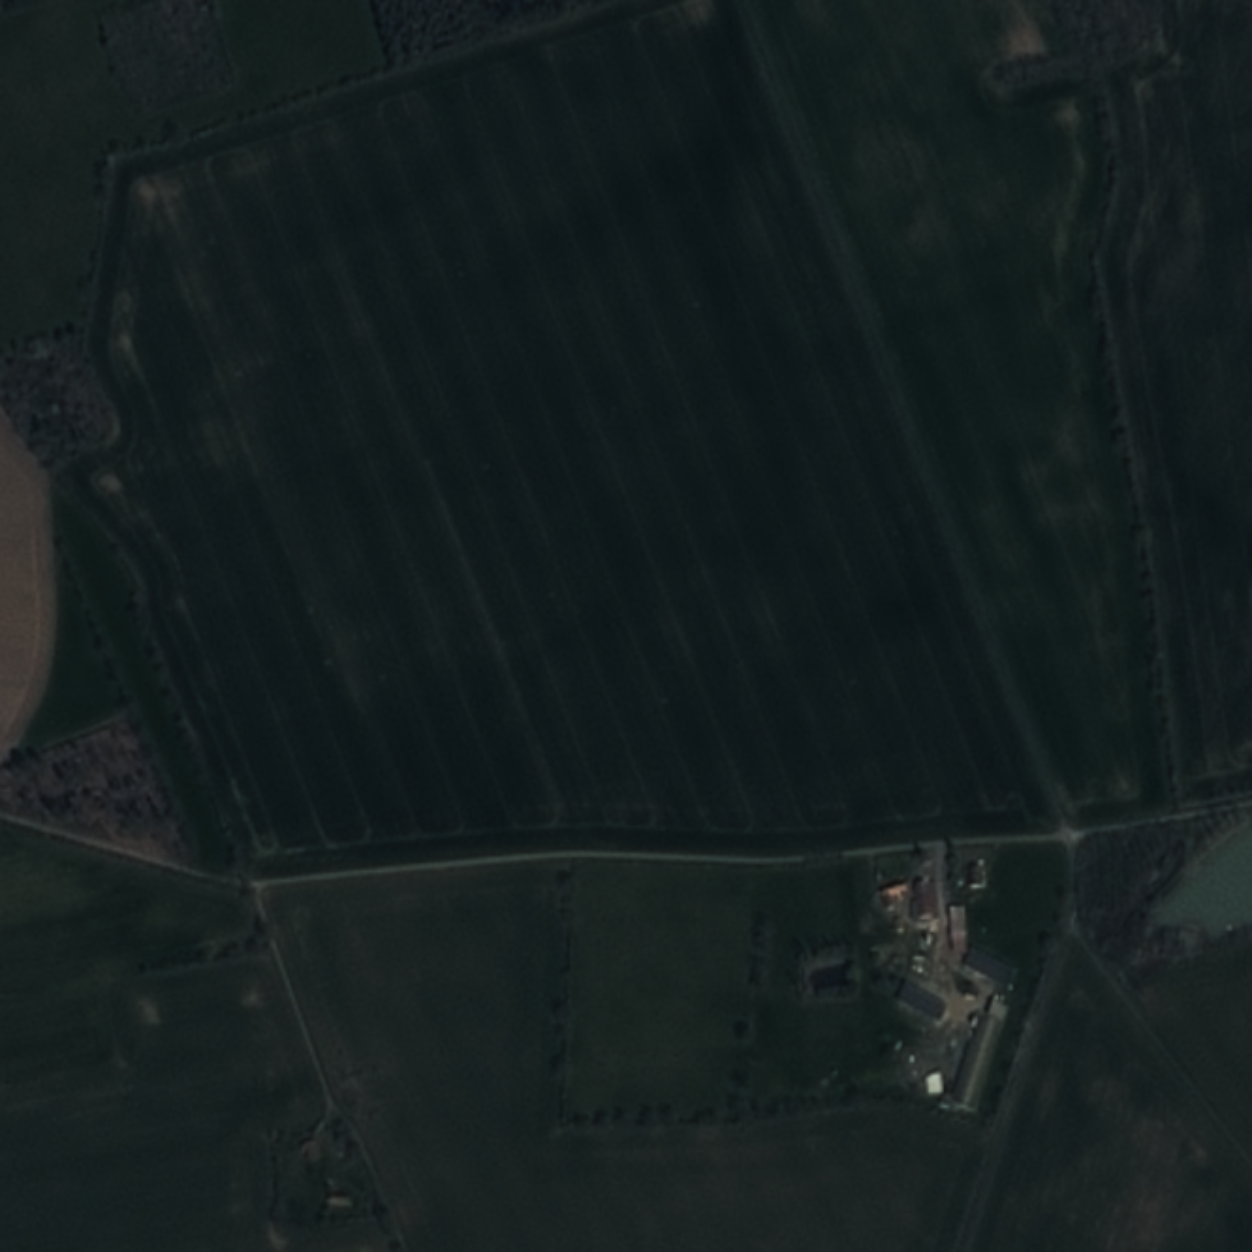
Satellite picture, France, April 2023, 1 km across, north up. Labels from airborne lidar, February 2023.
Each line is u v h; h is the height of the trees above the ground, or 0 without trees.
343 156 0
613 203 0
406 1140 0
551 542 0
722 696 0
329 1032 0
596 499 0
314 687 0
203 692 0
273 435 0
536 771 0
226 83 13
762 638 0
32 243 0
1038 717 0
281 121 0
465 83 0
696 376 0
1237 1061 0
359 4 0
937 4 0
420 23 14
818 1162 0
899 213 0
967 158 0
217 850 0
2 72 0
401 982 0
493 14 18
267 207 0
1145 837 11
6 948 0
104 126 0
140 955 0
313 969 0
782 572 0
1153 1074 0
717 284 0
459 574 0
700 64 0
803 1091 0
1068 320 0
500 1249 0
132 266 0
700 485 0
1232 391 0
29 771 23
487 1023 0
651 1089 0
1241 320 0
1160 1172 0
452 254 0
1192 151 0
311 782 0
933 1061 0
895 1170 0
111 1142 0
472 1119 0
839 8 0
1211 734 0
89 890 0
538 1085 0
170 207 0
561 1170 0
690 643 0
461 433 0
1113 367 12
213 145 0
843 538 0
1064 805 0
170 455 0
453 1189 0
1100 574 0
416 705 0
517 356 0
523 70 0
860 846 0
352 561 0
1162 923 0
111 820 18
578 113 0
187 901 0
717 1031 0
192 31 11
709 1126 14
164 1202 0
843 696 0
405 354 0
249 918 0
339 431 0
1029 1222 0
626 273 0
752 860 0
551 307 0
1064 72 16
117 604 0
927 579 0
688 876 0
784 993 0
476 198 0
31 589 0
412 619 0
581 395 0
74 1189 0
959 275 0
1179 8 0
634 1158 0
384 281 0
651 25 0
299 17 0
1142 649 0
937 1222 0
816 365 0
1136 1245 0
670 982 0
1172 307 0
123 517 0
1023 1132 0
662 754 0
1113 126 14
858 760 0
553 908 0
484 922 0
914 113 0
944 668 0
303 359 0
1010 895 0
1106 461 0
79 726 0
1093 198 0
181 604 0
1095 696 0
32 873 0
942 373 0
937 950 0
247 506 0
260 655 0
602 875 0
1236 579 0
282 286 0
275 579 0
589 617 0
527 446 0
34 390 6
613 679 0
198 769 14
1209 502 0
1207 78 0
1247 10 0
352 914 0
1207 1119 0
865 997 0
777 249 0
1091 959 0
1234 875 0
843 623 0
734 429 0
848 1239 0
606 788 0
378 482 0
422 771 0
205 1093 0
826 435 0
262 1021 0
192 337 0
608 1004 0
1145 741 0
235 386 0
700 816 0
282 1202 10
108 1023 0
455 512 0
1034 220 0
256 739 0
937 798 0
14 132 0
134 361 0
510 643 0
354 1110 0
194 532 0
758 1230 0
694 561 0
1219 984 0
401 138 0
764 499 0
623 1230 0
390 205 0
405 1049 0
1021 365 0
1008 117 0
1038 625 0
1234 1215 0
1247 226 0
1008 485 0
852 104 0
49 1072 0
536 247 0
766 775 0
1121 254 0
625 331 0
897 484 0
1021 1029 9
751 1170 0
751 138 0
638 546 0
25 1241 0
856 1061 0
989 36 0
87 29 0
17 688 0
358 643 0
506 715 0
